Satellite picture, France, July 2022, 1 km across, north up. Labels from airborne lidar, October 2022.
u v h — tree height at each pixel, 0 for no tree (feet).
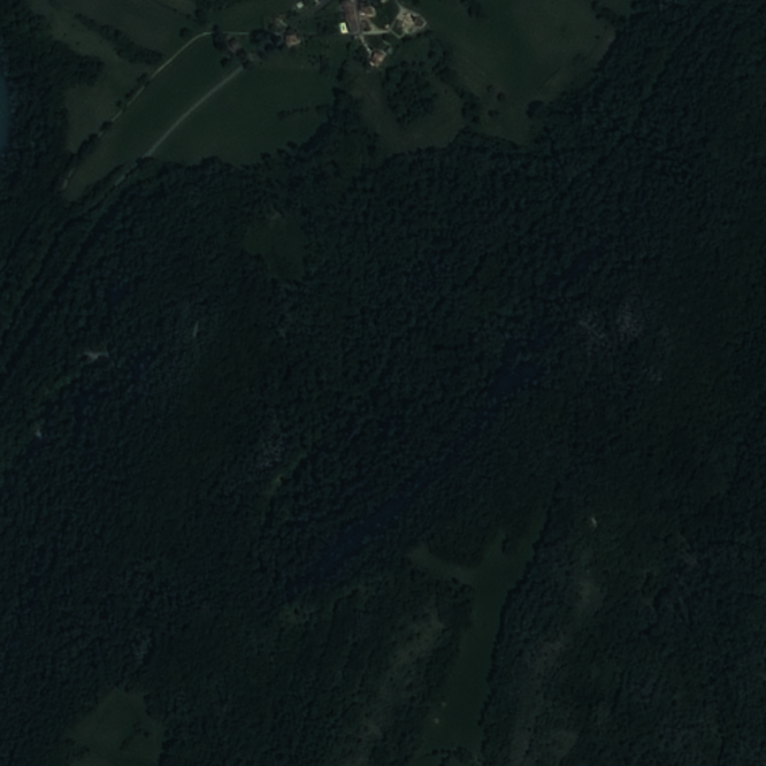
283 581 85
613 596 59
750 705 33
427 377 89
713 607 90
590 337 89
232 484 97
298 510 74
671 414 64
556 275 70
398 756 18
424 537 52
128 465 61
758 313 65
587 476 86
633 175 86
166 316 26
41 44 46
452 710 0
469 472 61
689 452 80
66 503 49
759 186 74
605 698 46
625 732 38
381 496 81
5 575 71
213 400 56
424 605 28
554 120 78
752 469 72
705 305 47
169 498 53
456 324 99
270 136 0
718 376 34
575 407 61
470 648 0
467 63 0
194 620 63
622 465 74
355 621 57
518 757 0
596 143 69
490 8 0
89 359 31
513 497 65
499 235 94
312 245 23
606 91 57
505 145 26
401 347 94
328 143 89
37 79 71
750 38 49
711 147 57
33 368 60
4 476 24
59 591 74
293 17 21
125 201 47
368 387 54
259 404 63
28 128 65
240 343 75
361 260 53
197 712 62
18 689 75
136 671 48
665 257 40
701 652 51
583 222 96
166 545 37
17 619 25
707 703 60
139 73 0
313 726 48
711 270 48
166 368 32
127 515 72
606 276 57
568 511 70
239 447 65
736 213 96
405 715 45
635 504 67
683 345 50
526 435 62
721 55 63
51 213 31
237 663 40
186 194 69
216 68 0
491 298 52
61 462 73
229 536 69
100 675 74
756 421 64
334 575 73
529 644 52
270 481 96
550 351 76
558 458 91
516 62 0
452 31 0
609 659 28
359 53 22
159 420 66
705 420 52
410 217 45
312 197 93
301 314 54
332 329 60
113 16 0
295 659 48
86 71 44
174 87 0
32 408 47
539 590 60
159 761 0
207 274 78
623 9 0
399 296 51
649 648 74
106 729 0
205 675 58
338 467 104
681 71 48
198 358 21
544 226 70
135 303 45
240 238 65
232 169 50
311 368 66
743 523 64
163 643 76
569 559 23
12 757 20
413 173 73
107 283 48
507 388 66
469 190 53
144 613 32
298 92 0
